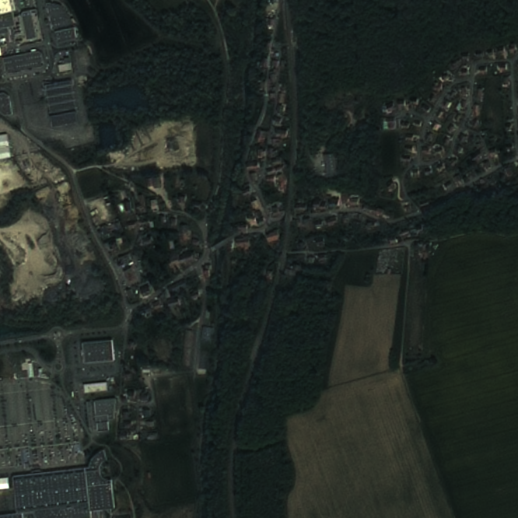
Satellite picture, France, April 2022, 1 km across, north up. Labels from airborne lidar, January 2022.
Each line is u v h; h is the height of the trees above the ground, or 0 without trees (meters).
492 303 0
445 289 0
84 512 0
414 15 23
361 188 12
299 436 0
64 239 0
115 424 0
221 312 0
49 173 0
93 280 0
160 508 0
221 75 9
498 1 24
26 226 0
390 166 0
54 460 0
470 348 0
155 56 14
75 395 0
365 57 21
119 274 0
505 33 15
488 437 0
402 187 0
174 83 13
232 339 21
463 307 0
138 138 0
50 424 0
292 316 14
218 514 17
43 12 0
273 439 15
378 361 0
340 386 0
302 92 15
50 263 0
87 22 0
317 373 20
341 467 0
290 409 13
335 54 23
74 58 0
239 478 13
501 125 0
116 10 0
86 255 0
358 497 0
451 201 17
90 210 0
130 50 0
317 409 0
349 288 0
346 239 7
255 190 0
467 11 21
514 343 0
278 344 21
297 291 17
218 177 0
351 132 9
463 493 0
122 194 0
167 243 0
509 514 0
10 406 0
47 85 0
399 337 0
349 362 0
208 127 0
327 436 0
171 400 0
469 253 0
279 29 0
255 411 18
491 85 0
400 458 0
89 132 0
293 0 17
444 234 16
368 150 23
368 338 0
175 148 0
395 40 23
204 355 0
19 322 7
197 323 0
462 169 11
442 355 0
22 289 0
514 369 0
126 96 0
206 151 0
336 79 10
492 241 0
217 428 16
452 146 0
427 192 14
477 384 0
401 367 0
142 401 0
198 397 0
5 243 0
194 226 0
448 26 21
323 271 14
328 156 0
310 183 20
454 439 0
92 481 0
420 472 0
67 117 0
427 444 0
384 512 0
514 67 0
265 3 11
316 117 17
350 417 0
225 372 15
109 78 13
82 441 0
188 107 18
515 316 0
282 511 16
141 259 6
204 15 13
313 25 24
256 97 14
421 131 0
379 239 7
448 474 0
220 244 0
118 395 0
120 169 0
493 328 0
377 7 23
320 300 14
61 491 0
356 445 0
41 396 0
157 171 20
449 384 0
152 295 0
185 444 0
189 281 8
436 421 0
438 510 0
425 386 0
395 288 0
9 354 0
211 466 20
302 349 20
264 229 0
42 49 0
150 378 0
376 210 0
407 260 0
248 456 12
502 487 0
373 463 0
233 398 16
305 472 0
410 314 0
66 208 0
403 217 0
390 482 0
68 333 0
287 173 0
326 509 0
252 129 7
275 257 11
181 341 14
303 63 18
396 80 23
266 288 19
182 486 0
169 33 13
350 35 20
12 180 0
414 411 0
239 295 17
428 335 0
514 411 0
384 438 0
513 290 0
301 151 8
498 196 19
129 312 0
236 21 16
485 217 17
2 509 0
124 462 0
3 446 0
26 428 0
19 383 0
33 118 0
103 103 0
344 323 0
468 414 0
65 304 14
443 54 15
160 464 0
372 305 0
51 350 0
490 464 0
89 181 0
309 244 0
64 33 0
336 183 12
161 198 6
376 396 0
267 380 20
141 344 13
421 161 0
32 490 0
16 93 0
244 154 13
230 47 12
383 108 0
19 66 0
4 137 0
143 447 0
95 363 0
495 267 0
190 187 0
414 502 0
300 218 12
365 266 0
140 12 7
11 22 0
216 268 0
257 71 6
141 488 0
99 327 0
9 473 0
